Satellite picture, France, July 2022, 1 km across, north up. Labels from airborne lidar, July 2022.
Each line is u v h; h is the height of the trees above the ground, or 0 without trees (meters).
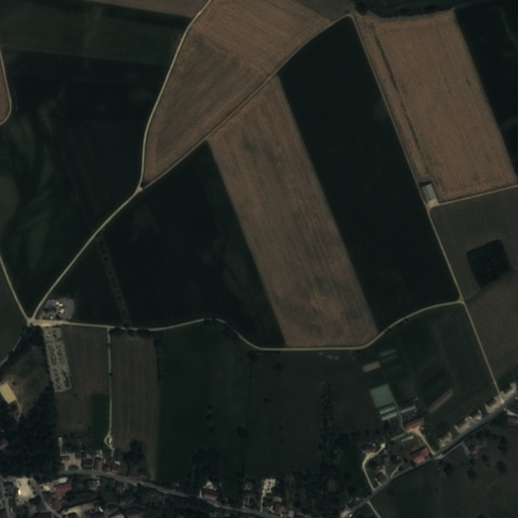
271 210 0
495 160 0
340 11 0
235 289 0
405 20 0
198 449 0
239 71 0
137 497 6
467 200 0
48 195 0
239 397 0
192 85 0
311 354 0
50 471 26
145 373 0
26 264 0
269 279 0
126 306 0
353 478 11
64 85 0
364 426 0
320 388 0
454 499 0
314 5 0
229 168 0
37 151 0
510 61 0
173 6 0
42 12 0
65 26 0
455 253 0
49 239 0
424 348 0
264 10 0
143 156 0
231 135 0
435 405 0
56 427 16
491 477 0
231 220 0
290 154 0
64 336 0
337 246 0
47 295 0
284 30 0
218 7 0
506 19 0
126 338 0
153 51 0
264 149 0
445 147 0
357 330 0
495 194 0
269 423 0
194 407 0
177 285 0
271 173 0
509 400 0
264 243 0
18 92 0
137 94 0
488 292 0
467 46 0
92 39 0
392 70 0
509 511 0
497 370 0
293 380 0
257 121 0
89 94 0
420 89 0
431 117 0
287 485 7
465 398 0
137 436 0
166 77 0
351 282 0
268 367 0
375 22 0
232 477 0
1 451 13
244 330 0
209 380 0
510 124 0
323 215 0
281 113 0
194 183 0
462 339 0
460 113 0
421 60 0
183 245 0
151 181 0
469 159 0
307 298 0
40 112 0
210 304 0
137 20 0
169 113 0
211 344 0
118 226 0
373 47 0
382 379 0
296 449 0
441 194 0
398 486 0
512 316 0
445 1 0
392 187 0
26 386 0
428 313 0
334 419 6
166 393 0
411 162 0
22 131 0
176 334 0
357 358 0
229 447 0
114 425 0
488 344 0
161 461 0
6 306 0
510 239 0
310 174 0
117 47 0
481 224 0
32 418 18
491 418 0
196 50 0
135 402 0
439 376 0
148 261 0
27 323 0
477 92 0
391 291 0
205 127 0
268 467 0
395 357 0
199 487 13
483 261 10
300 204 0
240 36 0
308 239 0
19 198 0
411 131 0
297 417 0
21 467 33
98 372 0
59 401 0
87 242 0
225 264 0
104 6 0
